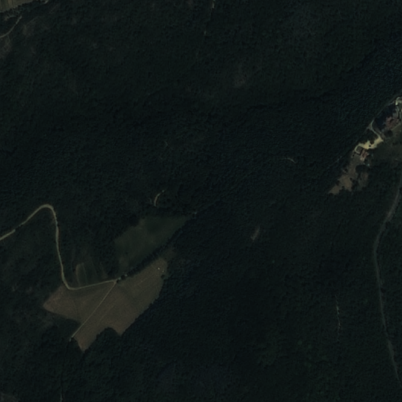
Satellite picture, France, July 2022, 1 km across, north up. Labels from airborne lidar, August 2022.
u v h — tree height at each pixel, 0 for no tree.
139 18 7
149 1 7
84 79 18
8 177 13
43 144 24
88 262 0
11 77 8
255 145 18
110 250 9
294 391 15
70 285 0
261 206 9
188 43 18
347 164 9
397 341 21
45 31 9
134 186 11
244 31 10
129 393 9
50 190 9
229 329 17
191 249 10
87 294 0
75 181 12
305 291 12
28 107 11
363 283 16
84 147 20
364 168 14
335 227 11
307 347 13
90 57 13
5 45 0
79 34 14
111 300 0
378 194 8
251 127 16
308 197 11
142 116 25
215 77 7
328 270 14
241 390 6
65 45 14
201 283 12
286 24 15
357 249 16
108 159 20
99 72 9
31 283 7
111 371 9
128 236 0
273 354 9
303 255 9
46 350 21
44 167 16
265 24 18
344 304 7
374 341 19
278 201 11
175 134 14
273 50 10
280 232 13
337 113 29
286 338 15
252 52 11
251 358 18
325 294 23
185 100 18
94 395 9
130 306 0
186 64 20
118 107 19
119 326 0
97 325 0
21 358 8
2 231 8
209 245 17
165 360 10
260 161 16
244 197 15
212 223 17
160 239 0
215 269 13
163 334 18
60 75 9
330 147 21
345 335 12
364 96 22
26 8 10
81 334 0
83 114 27
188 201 19
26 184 9
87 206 7
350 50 21
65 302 0
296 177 15
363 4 15
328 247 16
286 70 16
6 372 10
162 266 0
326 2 14
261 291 20
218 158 16
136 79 17
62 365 14
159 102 23
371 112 22
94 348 6
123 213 9
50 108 17
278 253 13
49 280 6
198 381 16
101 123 24
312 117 21
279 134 20
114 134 21
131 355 9
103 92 19
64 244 6
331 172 10
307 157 23
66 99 14
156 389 7
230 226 16
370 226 12
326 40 15
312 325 9
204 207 12
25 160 18
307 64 13
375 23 14
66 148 14
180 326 17
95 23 7
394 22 23
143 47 12
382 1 12
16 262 6
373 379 19
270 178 10
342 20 14
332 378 19
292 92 23
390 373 19
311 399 16
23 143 28
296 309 15
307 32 8
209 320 14
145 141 19
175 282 13
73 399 10
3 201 8
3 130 14
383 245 15
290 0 18
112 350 7
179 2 11
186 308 20
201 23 13
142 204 10
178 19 8
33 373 10
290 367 15
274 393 13
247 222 8
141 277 0
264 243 13
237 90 12
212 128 20
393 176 13
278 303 12
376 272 13
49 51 16
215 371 17
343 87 27
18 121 17
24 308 8
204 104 13
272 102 24
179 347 16
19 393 8
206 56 12
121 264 0
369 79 17
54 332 9
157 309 16
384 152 0
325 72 20
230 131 13
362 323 18
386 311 16
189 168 18
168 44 18
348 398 22
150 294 0
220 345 18
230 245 12
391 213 0
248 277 12
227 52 10
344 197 14
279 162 8
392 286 16
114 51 7
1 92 13
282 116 19
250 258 12
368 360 15
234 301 18
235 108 25
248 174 11
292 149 11
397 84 16
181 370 11
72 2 7
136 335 16
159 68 16
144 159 12
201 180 24
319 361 9
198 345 17
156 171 14
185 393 15
